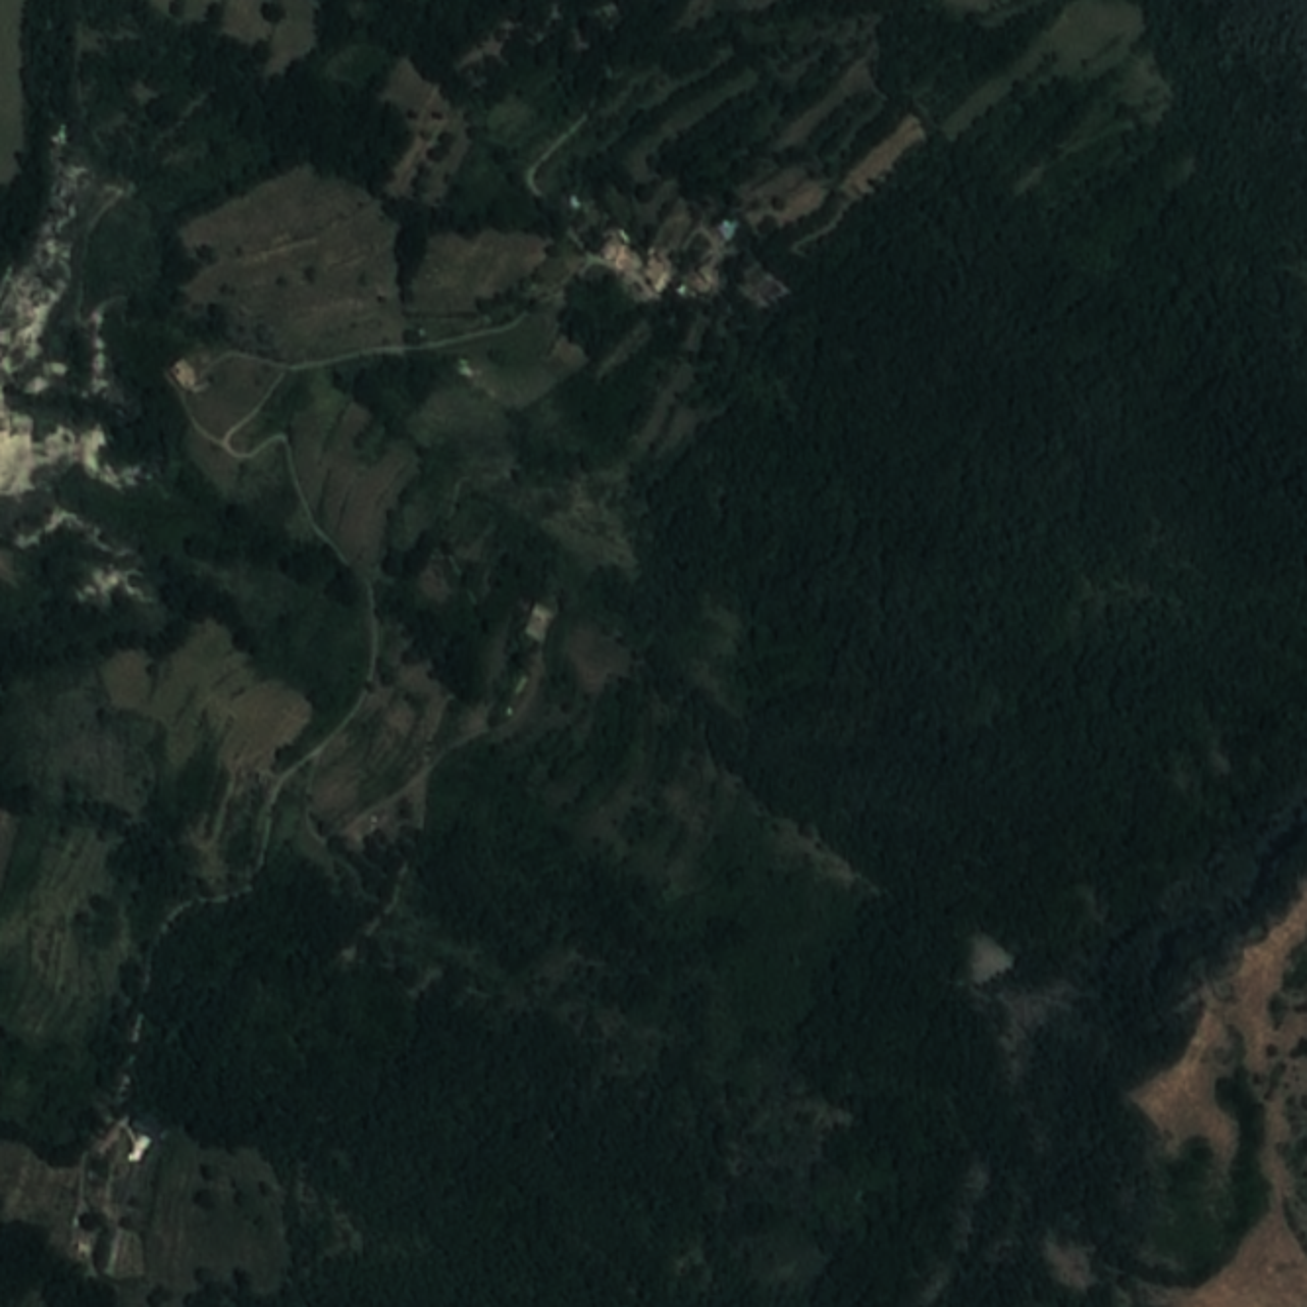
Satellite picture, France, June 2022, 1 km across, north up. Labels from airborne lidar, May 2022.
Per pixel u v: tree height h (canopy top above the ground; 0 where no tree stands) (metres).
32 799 7
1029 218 9
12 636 8
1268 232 10
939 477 13
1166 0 16
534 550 9
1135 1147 6
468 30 7
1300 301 12
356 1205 11
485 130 7
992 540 14
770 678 8
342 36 14
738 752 10
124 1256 0
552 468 8
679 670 11
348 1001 9
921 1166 13
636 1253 13
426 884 8
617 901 9
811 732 11
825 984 9
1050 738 15
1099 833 10
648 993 9
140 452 7
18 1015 0
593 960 6
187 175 6
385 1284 13
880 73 6
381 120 10
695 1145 8
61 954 0
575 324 14
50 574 8
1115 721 14
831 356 15
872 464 10
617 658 0
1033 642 17
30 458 0
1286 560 14
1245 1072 9
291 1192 6
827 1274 6
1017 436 9
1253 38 16
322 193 0
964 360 10
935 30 7
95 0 11
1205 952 7
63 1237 0
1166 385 8
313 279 6
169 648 11
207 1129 14
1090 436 9
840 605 14
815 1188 6
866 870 8
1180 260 7
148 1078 10
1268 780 15
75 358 9
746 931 12
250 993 8
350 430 0
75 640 6
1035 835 17
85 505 6
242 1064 18
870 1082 10
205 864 0
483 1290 14
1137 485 12
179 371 0
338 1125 12
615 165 10
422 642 9
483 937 6
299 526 0
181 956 8
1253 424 17
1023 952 9
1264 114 12
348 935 10
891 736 12
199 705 0
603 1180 15
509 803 7
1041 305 6
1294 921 0
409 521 0
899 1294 12
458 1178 12
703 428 9
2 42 0
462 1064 13
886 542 8
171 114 12
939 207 15
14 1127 12
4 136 0
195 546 16
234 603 12
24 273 0
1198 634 11
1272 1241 0
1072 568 12
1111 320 8
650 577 10
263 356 12
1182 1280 7
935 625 17
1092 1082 11
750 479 7
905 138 0
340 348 0
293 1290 11
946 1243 9
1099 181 10
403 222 10
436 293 0
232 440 0
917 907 15
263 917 7
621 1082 10
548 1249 6
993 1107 9
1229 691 9
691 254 7
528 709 0
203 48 12
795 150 12
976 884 12
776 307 12
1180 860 9
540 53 13
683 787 0
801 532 10
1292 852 11
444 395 0
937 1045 10
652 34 12
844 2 11
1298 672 12
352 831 0
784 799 13
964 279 16
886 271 10
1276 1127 0
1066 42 0
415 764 0
